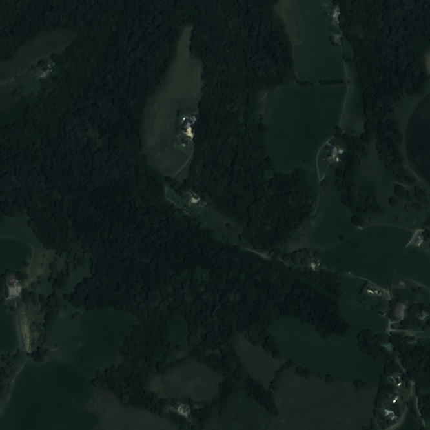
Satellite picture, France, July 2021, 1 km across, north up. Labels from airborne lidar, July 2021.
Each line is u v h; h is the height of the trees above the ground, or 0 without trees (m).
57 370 0
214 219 0
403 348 23
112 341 0
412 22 20
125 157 20
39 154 25
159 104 0
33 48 0
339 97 0
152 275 35
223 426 0
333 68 0
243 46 16
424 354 31
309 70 0
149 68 32
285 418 0
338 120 0
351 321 0
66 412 0
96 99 16
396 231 0
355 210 7
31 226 22
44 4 20
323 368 0
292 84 0
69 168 12
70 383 0
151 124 0
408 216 0
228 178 24
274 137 0
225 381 8
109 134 26
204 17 24
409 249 0
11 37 22
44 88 7
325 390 0
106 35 29
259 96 0
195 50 18
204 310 12
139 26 22
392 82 22
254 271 33
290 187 14
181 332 0
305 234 0
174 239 10
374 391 0
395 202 20
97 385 19
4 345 0
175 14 23
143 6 24
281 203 28
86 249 24
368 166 0
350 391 0
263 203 20
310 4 0
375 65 27
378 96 27
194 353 10
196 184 20
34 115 16
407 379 21
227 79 27
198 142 23
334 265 0
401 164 13
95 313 0
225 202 18
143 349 14
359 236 0
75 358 0
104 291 31
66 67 13
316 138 0
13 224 0
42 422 0
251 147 21
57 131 19
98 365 0
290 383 0
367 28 13
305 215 10
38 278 9
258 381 7
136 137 8
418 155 0
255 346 13
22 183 25
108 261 29
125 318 0
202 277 30
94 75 21
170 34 18
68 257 13
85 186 19
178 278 27
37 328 11
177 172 0
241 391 0
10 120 0
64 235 27
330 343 0
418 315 7
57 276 20
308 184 0
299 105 0
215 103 20
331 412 0
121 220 21
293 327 0
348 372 0
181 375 0
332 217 0
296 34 0
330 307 20
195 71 0
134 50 7
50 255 0
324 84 12
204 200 14
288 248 0
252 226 25
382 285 0
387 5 29
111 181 19
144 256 25
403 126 0
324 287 14
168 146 0
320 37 0
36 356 18
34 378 0
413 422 0
